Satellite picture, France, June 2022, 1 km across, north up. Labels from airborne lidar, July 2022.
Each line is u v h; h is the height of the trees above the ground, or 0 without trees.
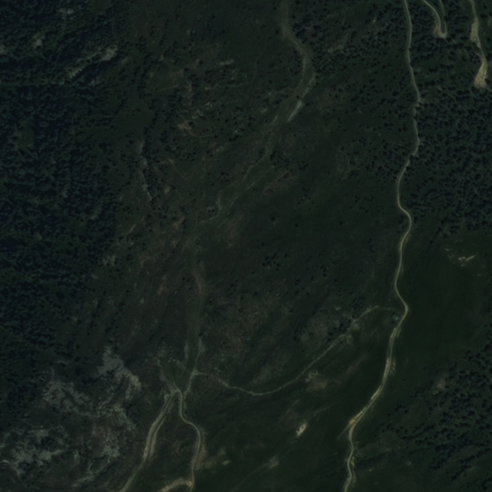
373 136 0
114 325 8
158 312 0
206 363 0
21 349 8
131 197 0
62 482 0
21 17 25
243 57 0
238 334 0
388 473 0
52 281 14
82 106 7
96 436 0
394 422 0
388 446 0
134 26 0
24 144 0
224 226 0
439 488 0
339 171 0
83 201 17
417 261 0
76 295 16
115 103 0
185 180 0
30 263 23
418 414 0
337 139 0
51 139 26
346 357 0
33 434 0
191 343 0
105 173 12
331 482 0
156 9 0
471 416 20
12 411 9
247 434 0
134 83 11
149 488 0
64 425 0
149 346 0
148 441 0
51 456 0
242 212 0
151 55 9
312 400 0
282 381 0
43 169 24
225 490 0
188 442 0
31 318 12
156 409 0
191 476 0
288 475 0
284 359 0
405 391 0
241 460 0
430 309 0
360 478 0
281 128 0
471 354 10
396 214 0
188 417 0
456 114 25
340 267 0
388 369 0
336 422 0
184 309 0
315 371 0
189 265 0
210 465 0
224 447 0
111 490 0
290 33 0
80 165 23
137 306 0
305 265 0
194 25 0
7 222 25
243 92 0
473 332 0
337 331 11
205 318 0
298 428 0
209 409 0
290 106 0
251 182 0
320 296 0
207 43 0
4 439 0
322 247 0
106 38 7
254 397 0
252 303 0
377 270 0
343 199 0
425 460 0
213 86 8
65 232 21
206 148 0
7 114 14
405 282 0
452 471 0
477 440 5
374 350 0
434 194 17
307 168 10
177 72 0
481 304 0
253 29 0
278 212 0
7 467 0
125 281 0
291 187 0
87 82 11
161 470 0
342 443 0
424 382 0
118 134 0
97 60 17
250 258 0
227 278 0
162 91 0
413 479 0
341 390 0
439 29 0
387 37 20
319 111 0
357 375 0
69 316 7
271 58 0
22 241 6
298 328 0
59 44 15
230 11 0
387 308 0
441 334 0
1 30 10
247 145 0
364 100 14
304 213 0
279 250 0
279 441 0
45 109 24
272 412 0
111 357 0
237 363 0
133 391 0
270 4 0
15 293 25
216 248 0
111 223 11
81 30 9
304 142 0
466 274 0
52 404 0
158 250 0
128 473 0
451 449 6
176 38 0
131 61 0
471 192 15
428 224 0
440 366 0
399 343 0
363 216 0
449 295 0
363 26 0
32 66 18
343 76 0
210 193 0
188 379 0
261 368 0
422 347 0
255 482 0
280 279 0
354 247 0
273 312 0
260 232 0
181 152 7
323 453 0
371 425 0
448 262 0
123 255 0
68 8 9
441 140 23
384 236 0
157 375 0
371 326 0
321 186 0
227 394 0
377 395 0
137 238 8
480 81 0
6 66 12
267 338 0
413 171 19
